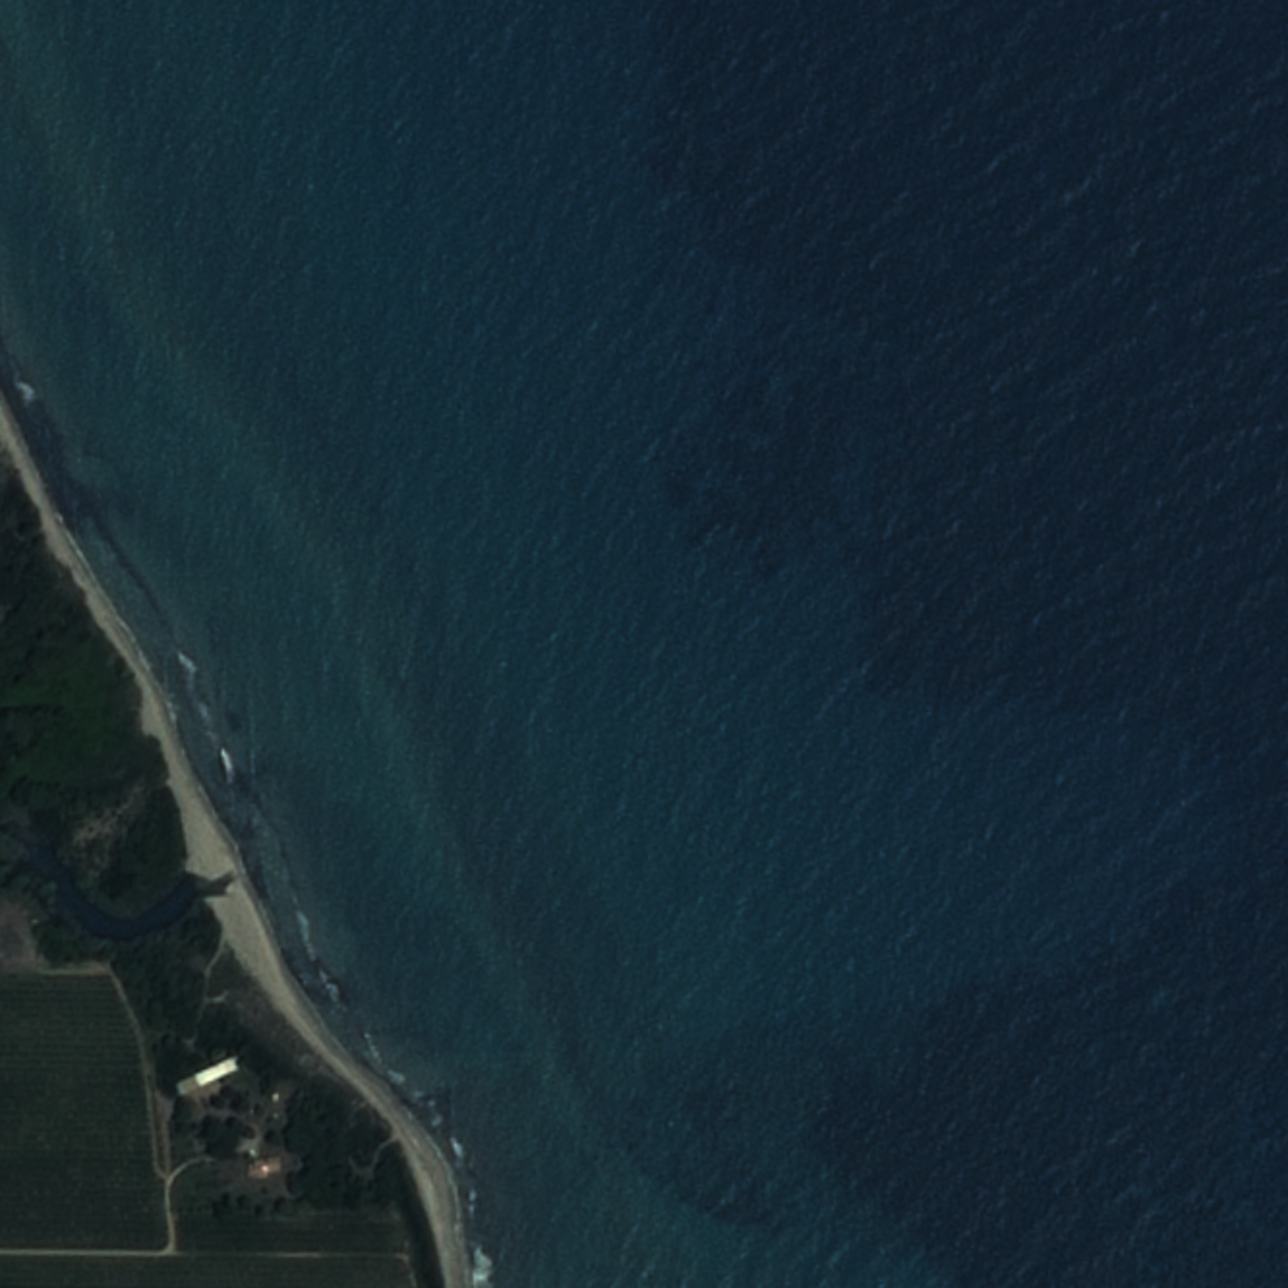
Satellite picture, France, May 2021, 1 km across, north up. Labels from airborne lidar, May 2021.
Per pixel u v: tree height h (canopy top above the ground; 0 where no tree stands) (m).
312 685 0
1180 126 0
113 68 0
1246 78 0
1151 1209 0
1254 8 0
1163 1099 0
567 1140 0
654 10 0
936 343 0
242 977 0
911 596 0
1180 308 0
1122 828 0
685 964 0
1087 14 0
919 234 0
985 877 0
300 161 0
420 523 0
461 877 0
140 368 0
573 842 0
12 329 0
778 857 0
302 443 0
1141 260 0
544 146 0
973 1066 0
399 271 0
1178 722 0
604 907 0
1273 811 0
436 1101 0
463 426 0
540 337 0
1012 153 0
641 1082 0
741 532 0
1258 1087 0
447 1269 0
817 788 0
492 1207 0
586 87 0
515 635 0
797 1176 0
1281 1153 0
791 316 0
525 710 0
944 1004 0
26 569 6
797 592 0
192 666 0
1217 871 0
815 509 0
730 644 0
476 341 0
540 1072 0
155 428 0
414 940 0
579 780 0
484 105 0
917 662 0
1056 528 0
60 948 10
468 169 0
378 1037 0
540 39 0
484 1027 0
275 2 0
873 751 0
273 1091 10
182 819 0
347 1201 10
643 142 0
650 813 0
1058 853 0
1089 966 0
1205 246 0
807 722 0
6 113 0
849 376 0
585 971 0
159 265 0
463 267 0
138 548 0
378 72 0
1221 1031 0
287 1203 11
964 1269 0
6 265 0
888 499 0
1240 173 0
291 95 0
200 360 0
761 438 0
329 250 0
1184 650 0
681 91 0
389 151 0
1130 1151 0
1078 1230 0
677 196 0
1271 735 0
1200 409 0
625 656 0
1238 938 0
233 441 0
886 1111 0
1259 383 0
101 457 0
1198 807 0
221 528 0
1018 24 0
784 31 0
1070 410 0
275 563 0
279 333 0
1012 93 0
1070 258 0
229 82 0
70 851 7
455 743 0
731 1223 0
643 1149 0
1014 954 0
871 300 0
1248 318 0
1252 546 0
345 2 0
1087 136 0
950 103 0
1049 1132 0
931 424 0
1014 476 0
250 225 0
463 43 0
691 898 0
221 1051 9
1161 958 0
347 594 0
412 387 0
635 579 0
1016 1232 0
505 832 0
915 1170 0
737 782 0
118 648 0
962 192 0
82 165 0
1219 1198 0
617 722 0
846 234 0
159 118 0
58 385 0
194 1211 6
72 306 0
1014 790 0
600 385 0
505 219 0
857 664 0
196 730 0
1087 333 0
